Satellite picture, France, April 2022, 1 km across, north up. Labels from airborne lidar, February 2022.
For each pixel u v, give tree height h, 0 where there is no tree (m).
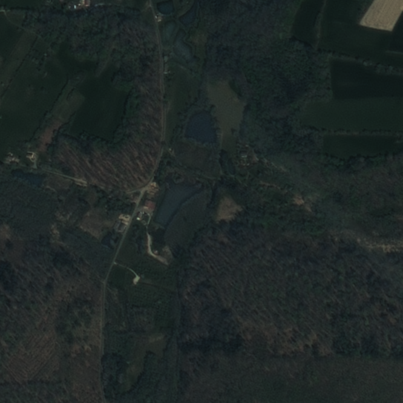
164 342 0
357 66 0
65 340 10
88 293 12
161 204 0
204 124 0
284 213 13
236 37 22
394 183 32
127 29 35
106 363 25
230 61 25
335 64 0
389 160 26
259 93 20
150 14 0
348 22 0
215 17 19
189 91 0
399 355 21
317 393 17
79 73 0
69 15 0
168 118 0
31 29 22
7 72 0
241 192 18
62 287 30
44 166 16
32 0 0
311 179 33
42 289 30
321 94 20
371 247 0
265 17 35
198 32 0
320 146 21
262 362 21
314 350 17
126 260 0
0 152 0
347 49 0
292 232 22
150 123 33
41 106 0
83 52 19
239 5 28
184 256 26
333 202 30
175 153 0
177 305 21
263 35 31
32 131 0
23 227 10
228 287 28
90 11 0
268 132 7
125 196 9
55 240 0
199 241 28
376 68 11
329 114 0
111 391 9
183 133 14
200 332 28
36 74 0
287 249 11
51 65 0
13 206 11
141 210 0
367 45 0
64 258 24
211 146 11
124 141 16
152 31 34
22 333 26
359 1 0
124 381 12
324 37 0
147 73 19
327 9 0
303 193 26
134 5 0
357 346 8
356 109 0
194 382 15
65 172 27
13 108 0
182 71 0
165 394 24
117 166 27
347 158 0
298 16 0
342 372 0
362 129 0
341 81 0
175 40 0
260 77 25
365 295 32
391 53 0
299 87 29
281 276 28
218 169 0
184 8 14
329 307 8
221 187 22
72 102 0
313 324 29
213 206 23
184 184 0
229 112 0
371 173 27
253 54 25
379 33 0
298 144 16
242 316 34
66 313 13
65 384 22
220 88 0
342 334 15
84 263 17
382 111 0
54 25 27
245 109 0
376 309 35
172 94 0
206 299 31
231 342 16
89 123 0
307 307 25
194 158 0
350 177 32
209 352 19
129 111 14
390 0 0
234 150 0
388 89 0
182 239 16
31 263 29
